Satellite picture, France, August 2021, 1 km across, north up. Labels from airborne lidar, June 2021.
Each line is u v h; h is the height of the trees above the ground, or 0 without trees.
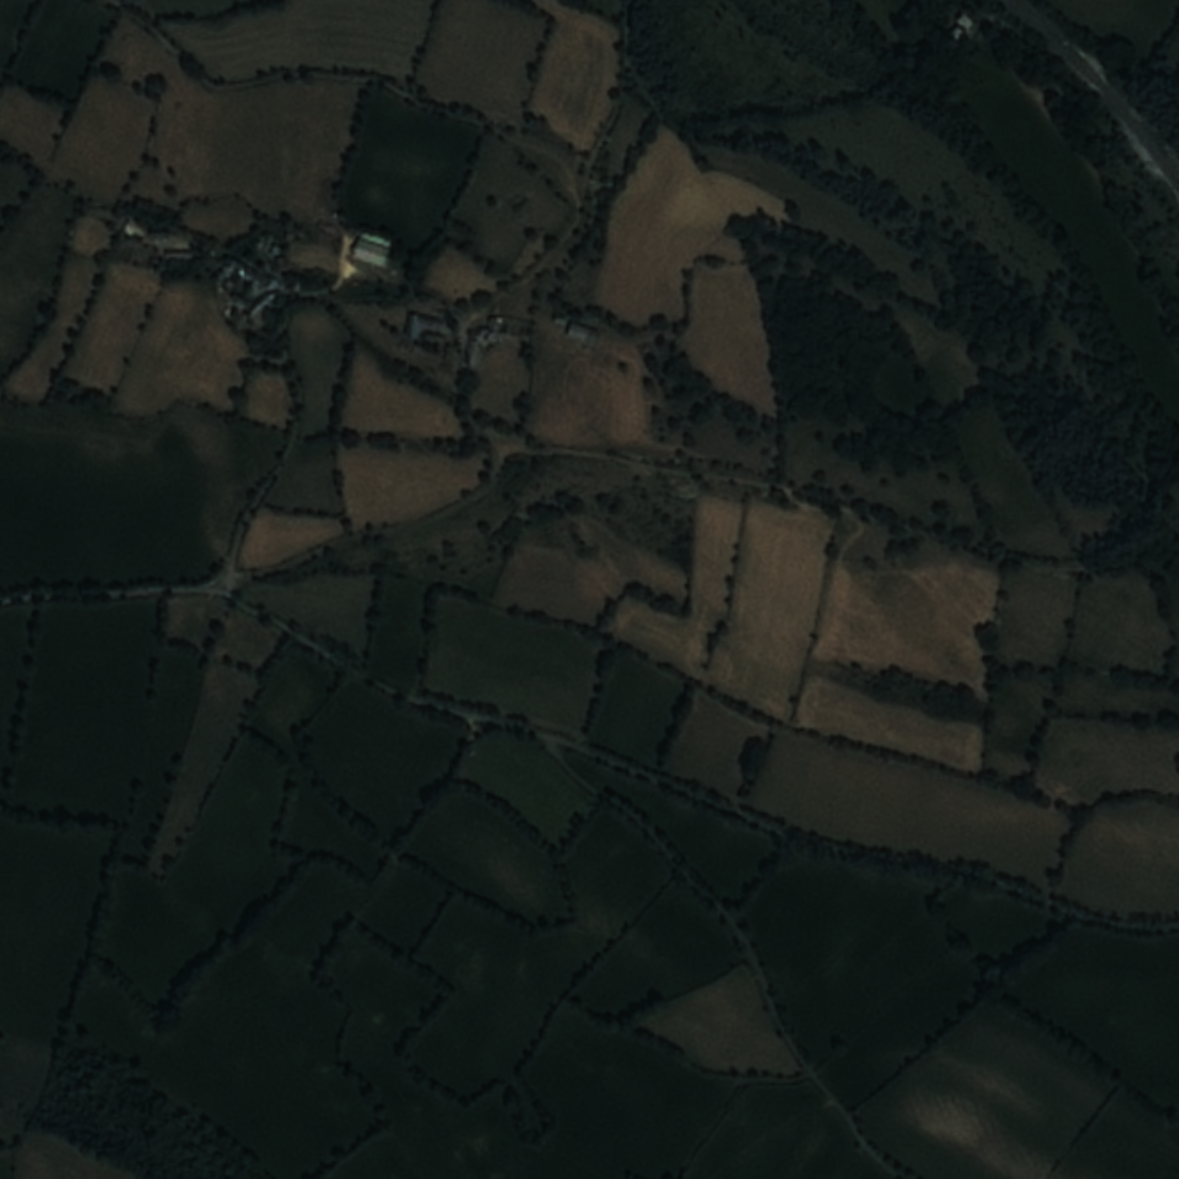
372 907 0
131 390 0
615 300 0
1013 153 0
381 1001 0
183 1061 0
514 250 0
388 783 0
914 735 0
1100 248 0
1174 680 8
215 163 0
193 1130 8
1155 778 0
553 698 0
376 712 0
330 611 0
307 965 0
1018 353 11
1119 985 0
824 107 8
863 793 0
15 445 0
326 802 8
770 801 0
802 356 19
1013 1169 0
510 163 0
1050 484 16
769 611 0
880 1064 0
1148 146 0
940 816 0
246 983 0
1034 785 7
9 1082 0
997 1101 0
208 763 0
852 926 0
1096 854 0
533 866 0
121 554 0
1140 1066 0
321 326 0
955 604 0
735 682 0
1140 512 10
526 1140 14
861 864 20
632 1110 0
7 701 0
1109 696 0
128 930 0
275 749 15
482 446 10
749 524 0
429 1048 0
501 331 0
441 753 0
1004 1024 0
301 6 0
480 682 0
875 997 0
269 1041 0
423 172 0
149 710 0
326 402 0
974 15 12
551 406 0
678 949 0
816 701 0
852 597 0
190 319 0
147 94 7
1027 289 15
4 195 0
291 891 14
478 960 0
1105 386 11
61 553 0
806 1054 10
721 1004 0
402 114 0
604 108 0
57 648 0
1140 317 0
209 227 0
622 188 10
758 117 14
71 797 0
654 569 0
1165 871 0
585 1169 0
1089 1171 0
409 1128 0
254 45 0
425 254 9
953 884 15
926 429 12
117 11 7
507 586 0
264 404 0
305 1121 0
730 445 0
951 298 14
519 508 7
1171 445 9
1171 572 11
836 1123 0
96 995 0
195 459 0
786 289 11
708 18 0
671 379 12
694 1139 0
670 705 0
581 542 6
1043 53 8
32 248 0
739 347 0
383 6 0
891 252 0
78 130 0
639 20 16
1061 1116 0
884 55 12
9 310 0
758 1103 0
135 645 0
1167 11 0
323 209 0
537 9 10
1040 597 0
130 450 0
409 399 0
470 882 0
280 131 0
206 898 0
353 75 9
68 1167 0
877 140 0
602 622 10
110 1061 6
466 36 0
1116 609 0
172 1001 13
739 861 0
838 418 14
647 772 7
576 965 0
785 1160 0
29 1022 0
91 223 0
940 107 12
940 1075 0
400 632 0
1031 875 0
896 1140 0
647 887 0
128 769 0
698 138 11
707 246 0
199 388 0
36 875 0
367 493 0
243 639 0
